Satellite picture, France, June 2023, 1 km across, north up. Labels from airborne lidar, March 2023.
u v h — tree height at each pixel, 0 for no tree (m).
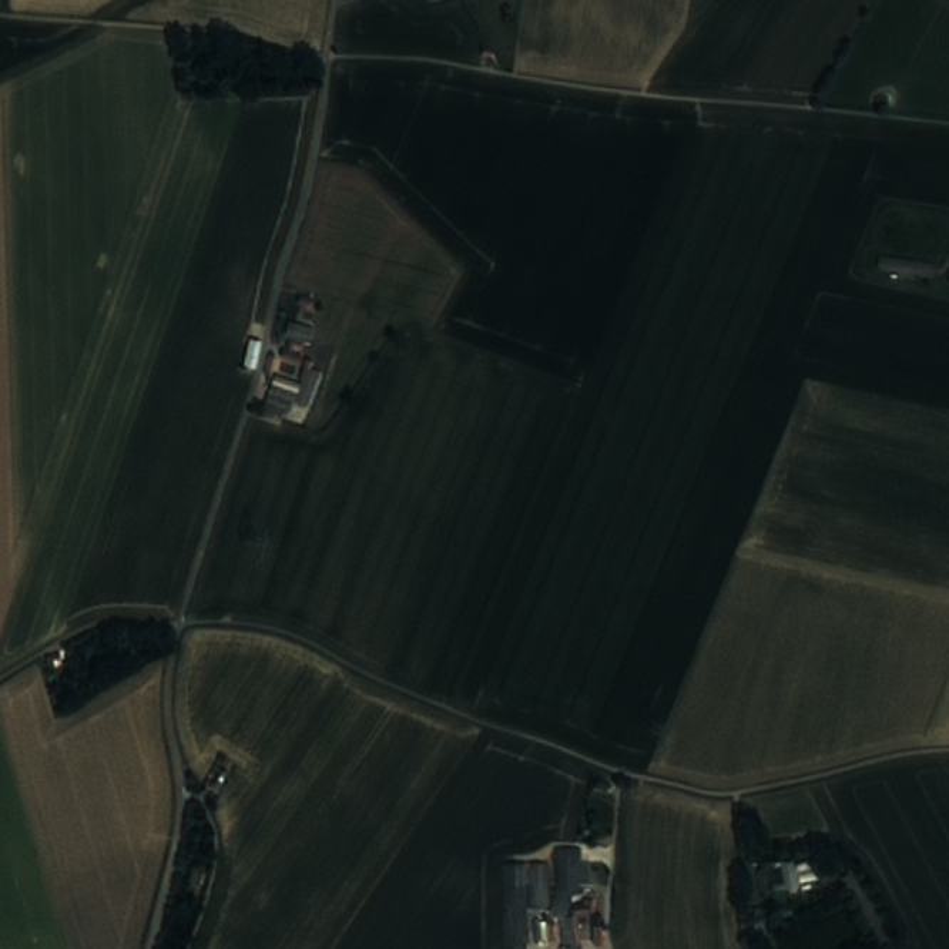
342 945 0
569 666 0
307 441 0
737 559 0
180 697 0
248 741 0
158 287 0
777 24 0
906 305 0
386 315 0
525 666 0
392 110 0
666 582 0
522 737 0
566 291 0
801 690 0
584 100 0
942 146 0
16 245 0
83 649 8
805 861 0
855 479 0
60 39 0
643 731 0
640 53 0
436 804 0
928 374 0
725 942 0
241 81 30
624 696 0
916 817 0
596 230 0
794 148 0
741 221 0
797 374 0
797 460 0
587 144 0
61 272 0
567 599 0
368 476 0
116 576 0
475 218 0
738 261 0
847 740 0
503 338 0
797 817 0
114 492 0
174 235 0
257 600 0
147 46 0
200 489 0
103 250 0
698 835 0
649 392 0
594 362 0
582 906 0
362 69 0
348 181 0
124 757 0
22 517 0
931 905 0
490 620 0
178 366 0
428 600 0
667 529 0
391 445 0
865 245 0
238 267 0
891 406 0
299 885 0
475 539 0
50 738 0
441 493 0
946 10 0
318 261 0
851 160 0
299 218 0
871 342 0
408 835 0
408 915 0
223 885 0
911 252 0
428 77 0
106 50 0
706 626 0
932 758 0
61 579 0
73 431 0
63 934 0
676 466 0
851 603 0
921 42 0
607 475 0
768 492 0
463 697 0
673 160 0
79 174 0
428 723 0
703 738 0
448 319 0
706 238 0
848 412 0
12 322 0
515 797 0
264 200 0
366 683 0
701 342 0
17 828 0
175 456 0
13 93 0
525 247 0
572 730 0
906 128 0
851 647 0
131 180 0
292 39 0
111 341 0
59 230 0
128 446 0
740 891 23
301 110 0
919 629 0
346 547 0
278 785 0
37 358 0
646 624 0
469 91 0
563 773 0
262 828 0
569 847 0
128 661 30
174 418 0
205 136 0
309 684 0
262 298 0
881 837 0
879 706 0
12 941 0
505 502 0
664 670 0
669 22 0
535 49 0
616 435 0
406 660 0
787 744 0
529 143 0
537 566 0
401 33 0
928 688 0
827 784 0
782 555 0
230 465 0
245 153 0
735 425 0
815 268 0
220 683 0
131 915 0
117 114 0
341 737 0
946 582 0
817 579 0
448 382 0
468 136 0
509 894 0
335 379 0
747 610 0
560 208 0
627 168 0
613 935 0
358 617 0
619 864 0
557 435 0
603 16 0
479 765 0
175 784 0
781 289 0
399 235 0
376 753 0
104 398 0
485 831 0
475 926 0
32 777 0
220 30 26
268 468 0
